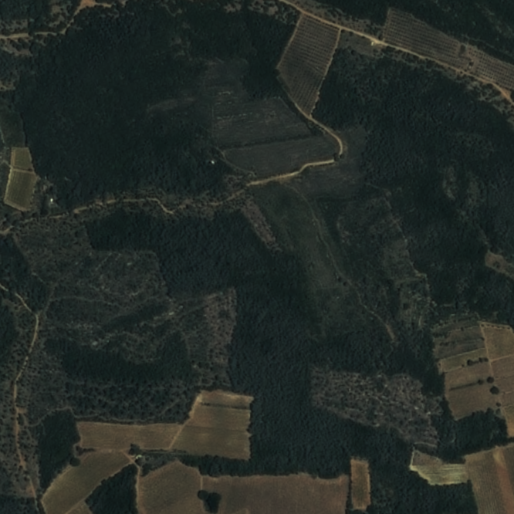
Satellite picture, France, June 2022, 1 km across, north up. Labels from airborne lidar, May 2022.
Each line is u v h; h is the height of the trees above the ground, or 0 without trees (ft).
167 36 21
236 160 0
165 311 27
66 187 36
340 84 22
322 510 0
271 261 25
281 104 0
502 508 0
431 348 31
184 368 31
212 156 22
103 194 26
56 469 28
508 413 0
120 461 0
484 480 0
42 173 31
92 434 0
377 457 38
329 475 42
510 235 36
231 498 0
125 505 43
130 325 20
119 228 50
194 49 25
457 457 46
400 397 0
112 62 25
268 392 50
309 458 55
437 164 45
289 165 0
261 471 56
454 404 0
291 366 47
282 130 0
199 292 61
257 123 0
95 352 20
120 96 21
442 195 19
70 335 25
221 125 0
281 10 24
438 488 45
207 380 32
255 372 52
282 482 0
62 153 26
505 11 36
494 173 18
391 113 35
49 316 21
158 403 64
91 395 65
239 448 0
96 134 22
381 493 46
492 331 0
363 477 0
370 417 24
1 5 35
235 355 48
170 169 20
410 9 24
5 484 21
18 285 26
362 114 47
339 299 22
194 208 49
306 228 0
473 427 19
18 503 57
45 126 25
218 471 63
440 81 19
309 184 0
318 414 54
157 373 30
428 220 37
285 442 60
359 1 23
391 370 21
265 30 33
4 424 26
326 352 44
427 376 23
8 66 50
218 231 42
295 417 59
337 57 21
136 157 38
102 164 26
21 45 40
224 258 47
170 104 0
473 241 30
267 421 58
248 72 18
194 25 21
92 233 38
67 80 31
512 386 0
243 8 23
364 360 21
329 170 0
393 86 22
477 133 21
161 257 49
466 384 0
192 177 36
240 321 40
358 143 0
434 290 36
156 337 35
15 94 34
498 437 30
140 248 42
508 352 0
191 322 18
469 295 36
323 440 60
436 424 36
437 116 37
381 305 33
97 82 26
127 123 24
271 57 30
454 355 0
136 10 24
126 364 33
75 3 20
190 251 57
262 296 31
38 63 27
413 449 38
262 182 0
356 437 42
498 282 33
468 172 24
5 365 26
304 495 0
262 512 0
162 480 0
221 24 23
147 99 29
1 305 41
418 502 27
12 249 17
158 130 18
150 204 39
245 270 47
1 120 0
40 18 48
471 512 39
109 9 24
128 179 40
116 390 63
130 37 23
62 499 0
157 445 0
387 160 42
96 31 32
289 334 43
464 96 18
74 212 35
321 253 0
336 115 22
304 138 22
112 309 24
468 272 32
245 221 35
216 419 0
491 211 28
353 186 0
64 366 32
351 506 33
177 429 0
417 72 38
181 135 22
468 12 20
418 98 35
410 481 25
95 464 0
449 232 50
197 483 0
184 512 0
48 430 19
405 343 26
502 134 22
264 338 24
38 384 24
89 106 22
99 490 30
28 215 54
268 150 0
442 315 41
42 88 33
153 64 20
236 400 0
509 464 0
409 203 19
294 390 53
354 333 42
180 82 23
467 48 0
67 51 37
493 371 0
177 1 24
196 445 0
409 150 31
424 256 38
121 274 24
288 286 41
